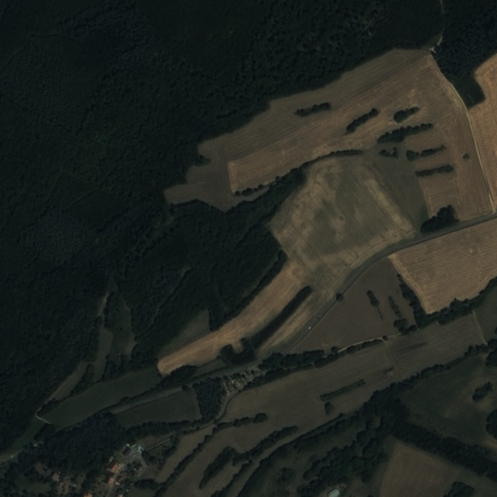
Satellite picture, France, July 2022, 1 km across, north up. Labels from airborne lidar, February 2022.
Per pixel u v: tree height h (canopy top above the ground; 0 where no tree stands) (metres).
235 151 0
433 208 0
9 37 15
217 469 11
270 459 9
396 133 13
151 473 0
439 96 0
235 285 14
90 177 6
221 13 9
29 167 23
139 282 12
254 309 0
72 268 18
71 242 19
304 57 20
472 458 10
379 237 0
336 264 0
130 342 0
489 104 0
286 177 8
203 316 0
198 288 12
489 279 0
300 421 0
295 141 0
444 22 9
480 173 0
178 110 18
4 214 17
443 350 0
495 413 9
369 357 0
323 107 11
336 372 0
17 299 20
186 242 9
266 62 20
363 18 25
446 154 0
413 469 0
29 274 9
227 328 0
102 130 16
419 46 9
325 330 0
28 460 23
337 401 0
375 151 0
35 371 21
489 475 14
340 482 9
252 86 17
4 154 22
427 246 0
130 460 0
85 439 28
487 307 0
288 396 0
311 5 23
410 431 7
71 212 8
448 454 10
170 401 0
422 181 0
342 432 8
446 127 0
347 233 0
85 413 0
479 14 15
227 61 11
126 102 16
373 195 0
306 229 0
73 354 17
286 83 11
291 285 0
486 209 0
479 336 0
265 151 0
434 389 0
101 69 9
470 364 0
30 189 21
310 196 0
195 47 8
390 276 0
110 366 7
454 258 0
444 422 0
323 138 0
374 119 0
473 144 0
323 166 0
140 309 13
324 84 13
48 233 18
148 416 0
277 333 0
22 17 14
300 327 0
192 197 0
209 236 14
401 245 0
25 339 21
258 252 16
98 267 27
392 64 0
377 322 0
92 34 17
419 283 0
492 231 0
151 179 21
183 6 10
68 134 17
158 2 13
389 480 0
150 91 15
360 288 0
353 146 0
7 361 21
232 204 0
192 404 0
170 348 0
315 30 22
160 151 22
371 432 16
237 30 8
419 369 0
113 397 0
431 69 0
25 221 6
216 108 17
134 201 13
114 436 24
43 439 14
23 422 16
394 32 6
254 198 0
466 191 0
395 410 11
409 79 0
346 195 0
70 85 6
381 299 0
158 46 29
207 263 9
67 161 16
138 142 13
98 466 17
